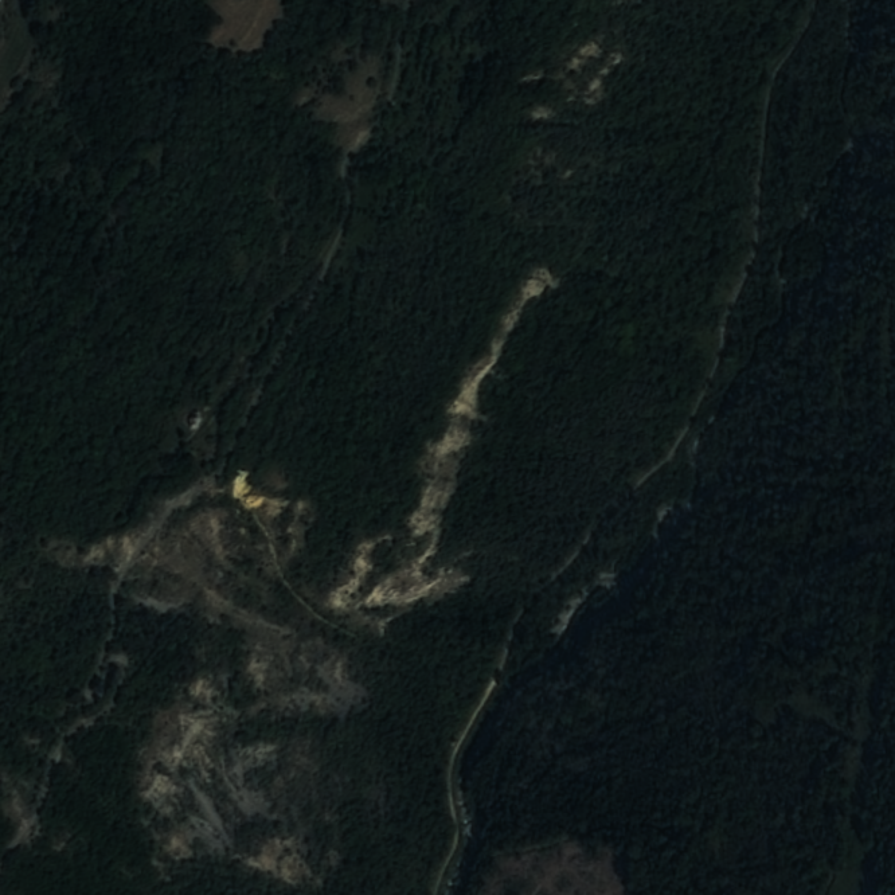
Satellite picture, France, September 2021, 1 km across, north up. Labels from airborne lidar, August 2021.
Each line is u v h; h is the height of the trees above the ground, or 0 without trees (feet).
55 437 41
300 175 58
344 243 29
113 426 53
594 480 68
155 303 62
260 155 36
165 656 56
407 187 59
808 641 44
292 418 45
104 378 73
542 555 83
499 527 71
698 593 63
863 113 22
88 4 76
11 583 37
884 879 68
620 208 75
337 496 22
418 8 48
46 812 43
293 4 75
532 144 47
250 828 34
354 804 36
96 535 70
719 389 24
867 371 35
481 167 34
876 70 23
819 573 66
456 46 49
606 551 44
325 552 36
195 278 70
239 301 70
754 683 87
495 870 78
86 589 46
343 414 46
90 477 94
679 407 59
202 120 73
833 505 75
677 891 90
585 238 31
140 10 68
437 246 70
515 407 26
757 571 56
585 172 54
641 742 78
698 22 46
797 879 74
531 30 54
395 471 53
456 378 33
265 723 24
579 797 79
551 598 58
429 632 68
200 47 53
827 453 102
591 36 42
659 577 78
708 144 35
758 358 24
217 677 27
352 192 70
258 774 28
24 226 40
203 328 37
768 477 79
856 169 47
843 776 83
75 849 20
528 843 70
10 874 66
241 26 0
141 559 0
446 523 41
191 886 26
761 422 74
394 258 53
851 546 22
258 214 77
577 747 55
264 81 41
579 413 59
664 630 77
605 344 80
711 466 45
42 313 50
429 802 64
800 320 64
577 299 67
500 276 64
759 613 94
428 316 43
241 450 38
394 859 61
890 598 31
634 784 79
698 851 61
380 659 33
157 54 87
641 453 56
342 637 26
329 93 40
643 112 77
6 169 47
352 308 38
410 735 63
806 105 48
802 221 28
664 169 26
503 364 76
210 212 51
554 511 86
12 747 68
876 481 73
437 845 73
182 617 43
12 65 0
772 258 66
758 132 62
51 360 55
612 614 44
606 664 87
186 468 63
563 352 81
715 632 67
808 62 56
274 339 43
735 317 64
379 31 55
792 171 41
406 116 50
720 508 85
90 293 45
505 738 89
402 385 56
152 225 67
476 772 61
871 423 54
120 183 70
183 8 74
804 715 0
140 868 30
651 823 62
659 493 36
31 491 52
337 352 57
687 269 52
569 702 97
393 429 38
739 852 53
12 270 64
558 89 45
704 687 65
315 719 29
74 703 21
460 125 25
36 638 64
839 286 87
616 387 51
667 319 74
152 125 58
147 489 53
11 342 70
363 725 38
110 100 85
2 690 58
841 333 78
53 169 35
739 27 82
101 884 60
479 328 52
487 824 81
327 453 50
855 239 65
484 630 77
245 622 0
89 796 46
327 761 24
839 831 67
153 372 88
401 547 37
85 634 49
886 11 59
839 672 69
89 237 63
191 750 0
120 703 47
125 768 39
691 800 89
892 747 64
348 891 56
